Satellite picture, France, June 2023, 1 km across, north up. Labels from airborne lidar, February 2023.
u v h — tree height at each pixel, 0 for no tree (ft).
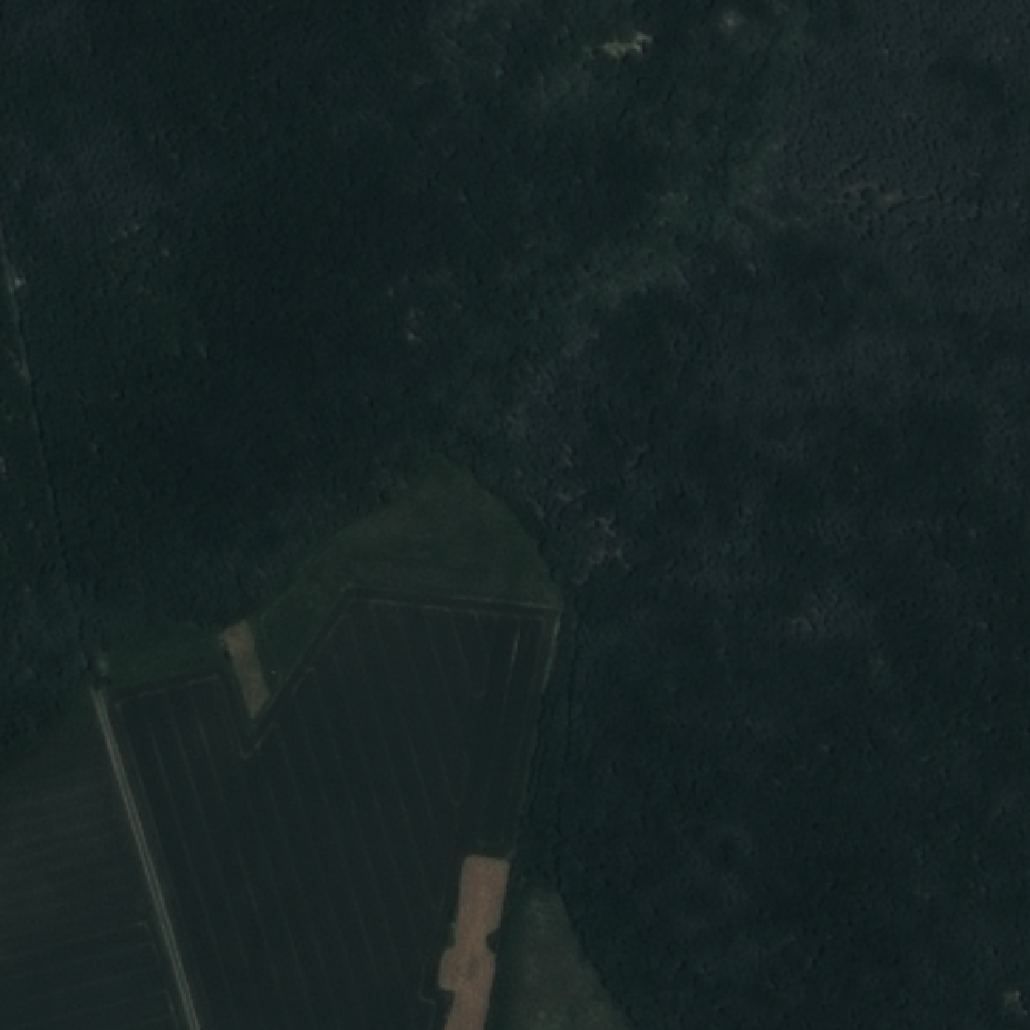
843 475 68
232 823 0
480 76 81
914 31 64
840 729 70
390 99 74
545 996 0
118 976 0
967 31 60
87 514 62
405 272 85
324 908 0
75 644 69
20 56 67
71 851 0
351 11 77
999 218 62
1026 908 67
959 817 63
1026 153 59
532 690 0
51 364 62
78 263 54
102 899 0
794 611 73
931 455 63
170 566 71
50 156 66
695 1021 59
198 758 0
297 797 0
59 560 59
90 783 0
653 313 78
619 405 76
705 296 63
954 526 49
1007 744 64
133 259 49
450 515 0
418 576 0
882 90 56
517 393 72
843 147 71
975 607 71
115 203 61
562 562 46
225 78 73
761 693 78
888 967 62
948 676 69
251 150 67
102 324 65
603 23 80
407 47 79
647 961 69
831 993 56
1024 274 64
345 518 50
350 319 76
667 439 69
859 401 64
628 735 77
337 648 0
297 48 66
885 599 65
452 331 77
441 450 53
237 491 69
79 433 74
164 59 70
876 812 66
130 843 0
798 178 65
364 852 0
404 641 0
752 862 63
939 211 60
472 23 73
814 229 70
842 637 54
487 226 90
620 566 58
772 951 53
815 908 70
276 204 67
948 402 63
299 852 0
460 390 79
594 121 81
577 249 81
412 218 82
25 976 0
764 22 68
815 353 60
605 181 87
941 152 59
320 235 72
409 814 0
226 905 0
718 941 68
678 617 69
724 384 63
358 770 0
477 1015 0
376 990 0
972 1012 58
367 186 74
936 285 59
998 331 59
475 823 0
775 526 65
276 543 76
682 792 77
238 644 0
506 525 0
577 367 68
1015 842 64
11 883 0
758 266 55
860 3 60
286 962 0
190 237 55
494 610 0
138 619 62
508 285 79
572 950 0
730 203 69
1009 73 61
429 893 0
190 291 66
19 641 68
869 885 64
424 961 0
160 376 71
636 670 70
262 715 0
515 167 94
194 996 0
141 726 0
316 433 87
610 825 63
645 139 99
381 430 76
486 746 0
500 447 52
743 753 69
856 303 71
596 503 61
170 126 63
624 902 73
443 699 0
